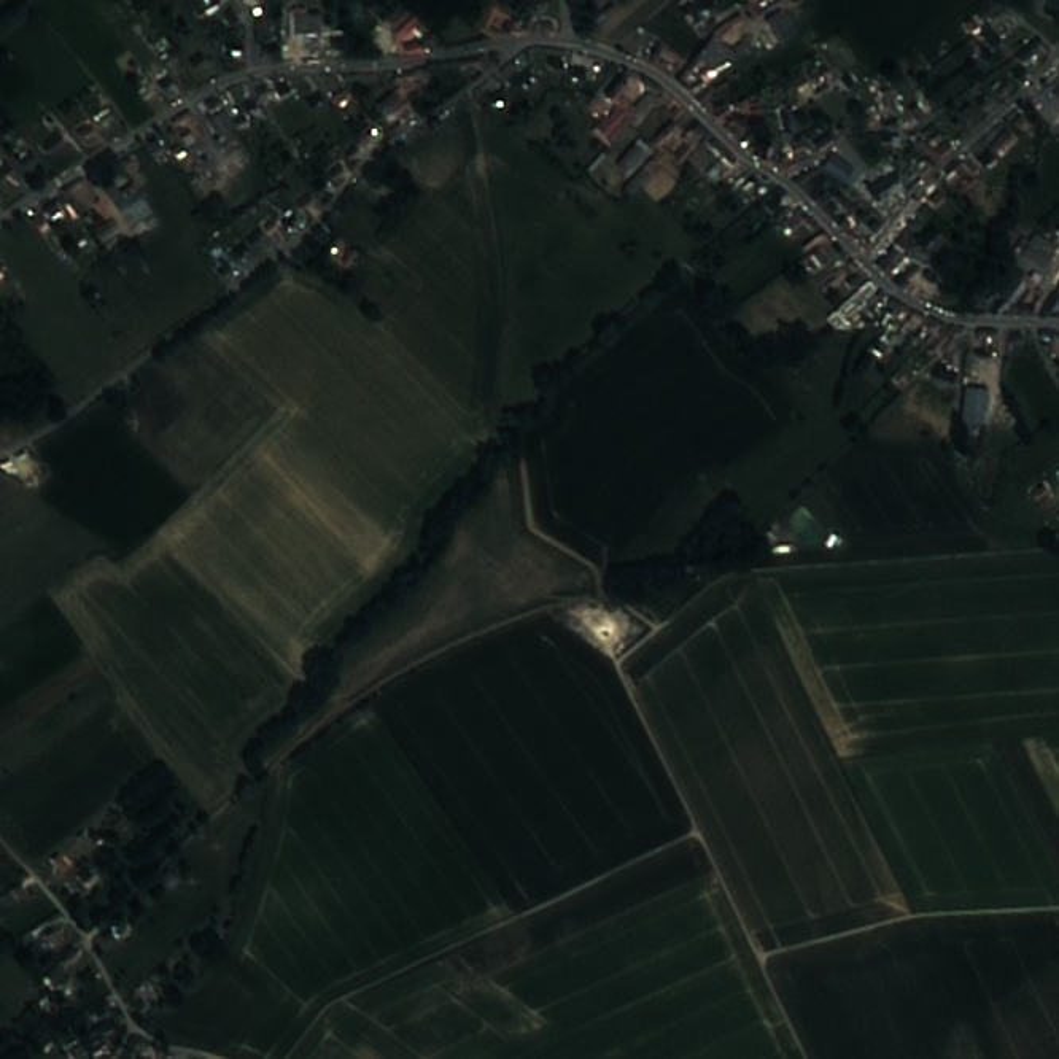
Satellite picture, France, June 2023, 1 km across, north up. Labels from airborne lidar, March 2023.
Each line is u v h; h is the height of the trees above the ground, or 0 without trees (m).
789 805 0
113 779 0
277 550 0
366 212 0
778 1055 0
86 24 0
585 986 0
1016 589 0
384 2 11
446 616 0
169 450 0
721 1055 0
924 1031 0
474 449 0
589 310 0
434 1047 0
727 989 0
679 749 0
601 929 0
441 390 0
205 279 0
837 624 0
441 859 0
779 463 0
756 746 0
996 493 0
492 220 0
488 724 0
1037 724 0
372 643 0
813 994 0
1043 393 0
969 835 0
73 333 0
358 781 0
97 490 0
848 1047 0
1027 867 0
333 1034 0
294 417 0
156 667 0
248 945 0
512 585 0
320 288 0
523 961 0
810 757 0
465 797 0
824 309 0
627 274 0
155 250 0
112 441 0
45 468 0
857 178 0
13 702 0
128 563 0
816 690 0
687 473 0
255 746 14
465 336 0
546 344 0
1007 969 0
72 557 0
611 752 0
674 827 0
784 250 0
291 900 0
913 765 0
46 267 0
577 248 0
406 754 0
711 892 0
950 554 0
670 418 0
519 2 7
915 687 0
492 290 0
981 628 0
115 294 0
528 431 0
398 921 0
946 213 0
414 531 0
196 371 0
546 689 0
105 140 0
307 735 0
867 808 0
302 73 0
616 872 0
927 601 0
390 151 13
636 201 0
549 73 0
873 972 0
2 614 0
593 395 0
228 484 0
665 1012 0
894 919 0
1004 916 0
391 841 0
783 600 0
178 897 0
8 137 0
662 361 0
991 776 0
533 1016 0
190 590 0
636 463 0
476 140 0
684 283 0
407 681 0
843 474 0
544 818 0
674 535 0
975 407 0
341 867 0
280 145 6
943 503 0
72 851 0
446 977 0
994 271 18
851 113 9
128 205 0
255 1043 0
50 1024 11
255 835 8
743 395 0
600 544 0
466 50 0
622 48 7
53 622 0
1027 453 0
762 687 0
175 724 0
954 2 0
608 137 0
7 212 0
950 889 0
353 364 0
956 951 0
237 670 0
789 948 0
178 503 0
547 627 0
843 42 0
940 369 6
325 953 0
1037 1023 0
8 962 0
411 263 0
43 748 0
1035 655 0
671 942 0
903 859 0
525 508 0
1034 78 0
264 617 0
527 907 0
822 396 0
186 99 0
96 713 0
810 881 0
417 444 0
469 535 0
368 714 0
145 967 0
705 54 0
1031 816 0
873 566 0
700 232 16
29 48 0
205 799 0
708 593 0
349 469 0
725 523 24
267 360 0
